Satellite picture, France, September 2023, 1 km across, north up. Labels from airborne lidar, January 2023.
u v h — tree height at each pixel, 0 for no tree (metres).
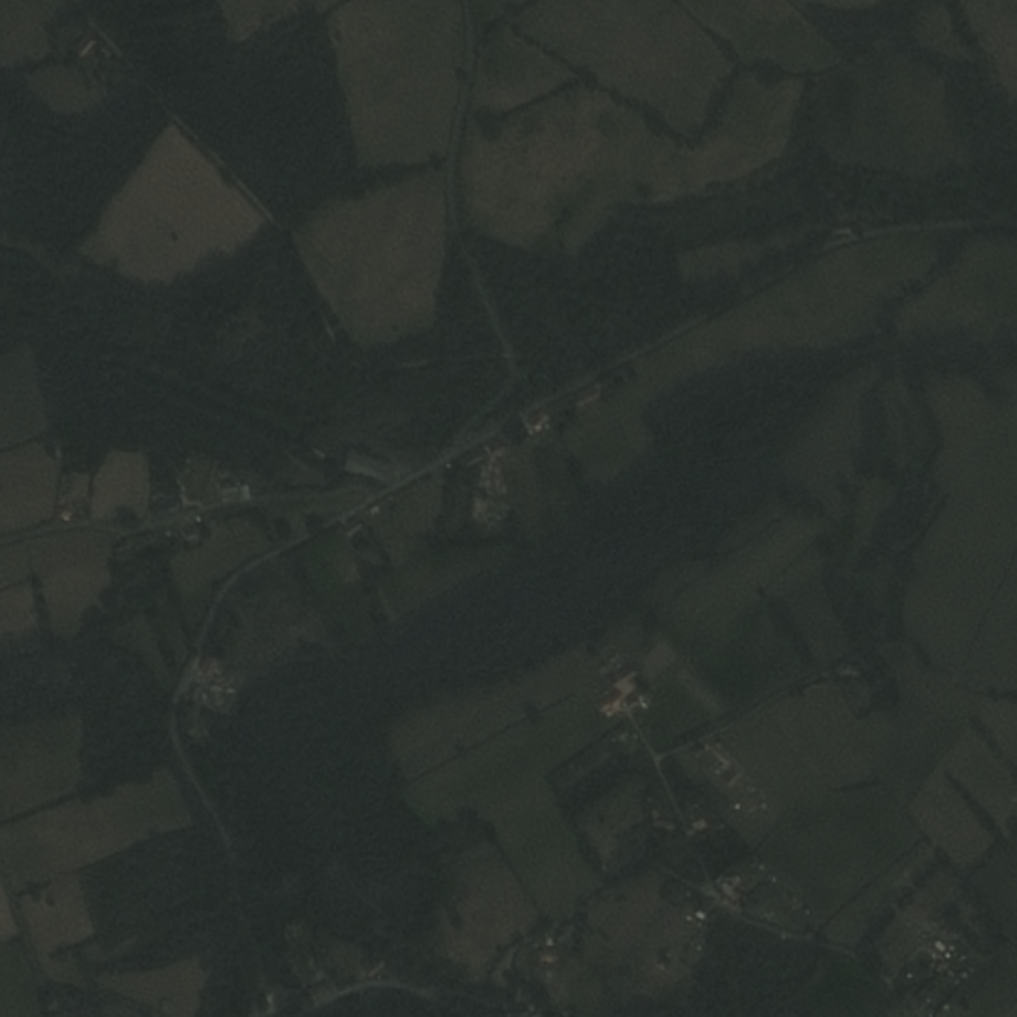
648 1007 18
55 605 0
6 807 0
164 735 24
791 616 16
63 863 0
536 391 6
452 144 0
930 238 0
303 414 13
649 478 23
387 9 0
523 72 0
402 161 0
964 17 17
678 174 0
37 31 0
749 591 0
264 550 0
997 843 10
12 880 0
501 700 0
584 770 0
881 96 0
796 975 7
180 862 7
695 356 0
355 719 24
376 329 0
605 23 0
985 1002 0
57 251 22
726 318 0
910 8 8
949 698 0
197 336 7
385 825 12
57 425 22
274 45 7
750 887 0
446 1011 20
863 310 0
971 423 0
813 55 0
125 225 0
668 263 17
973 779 0
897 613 0
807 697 0
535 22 0
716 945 6
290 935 0
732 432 24
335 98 19
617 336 9
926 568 0
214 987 17
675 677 0
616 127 0
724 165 0
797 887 0
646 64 0
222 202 0
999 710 0
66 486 0
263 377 11
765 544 0
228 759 13
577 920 9
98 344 10
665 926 0
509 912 0
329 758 19
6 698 32
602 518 27
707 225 7
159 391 15
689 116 0
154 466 11
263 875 17
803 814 0
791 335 0
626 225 6
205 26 9
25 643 0
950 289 0
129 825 0
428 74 0
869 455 17
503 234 0
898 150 0
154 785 0
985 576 0
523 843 0
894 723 0
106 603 19
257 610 0
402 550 0
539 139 0
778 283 0
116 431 18
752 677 0
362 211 0
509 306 12
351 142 10
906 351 9
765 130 0
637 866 13
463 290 12
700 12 0
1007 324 0
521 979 8
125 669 15
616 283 9
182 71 14
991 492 0
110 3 12
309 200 15
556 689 0
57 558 0
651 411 13
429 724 0
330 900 18
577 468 12
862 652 6
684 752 0
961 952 0
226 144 19
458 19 0
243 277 14
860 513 0
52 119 11
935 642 0
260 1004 11
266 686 10
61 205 22
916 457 0
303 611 0
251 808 19
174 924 7
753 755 0
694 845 10
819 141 7
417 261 0
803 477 0
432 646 31
